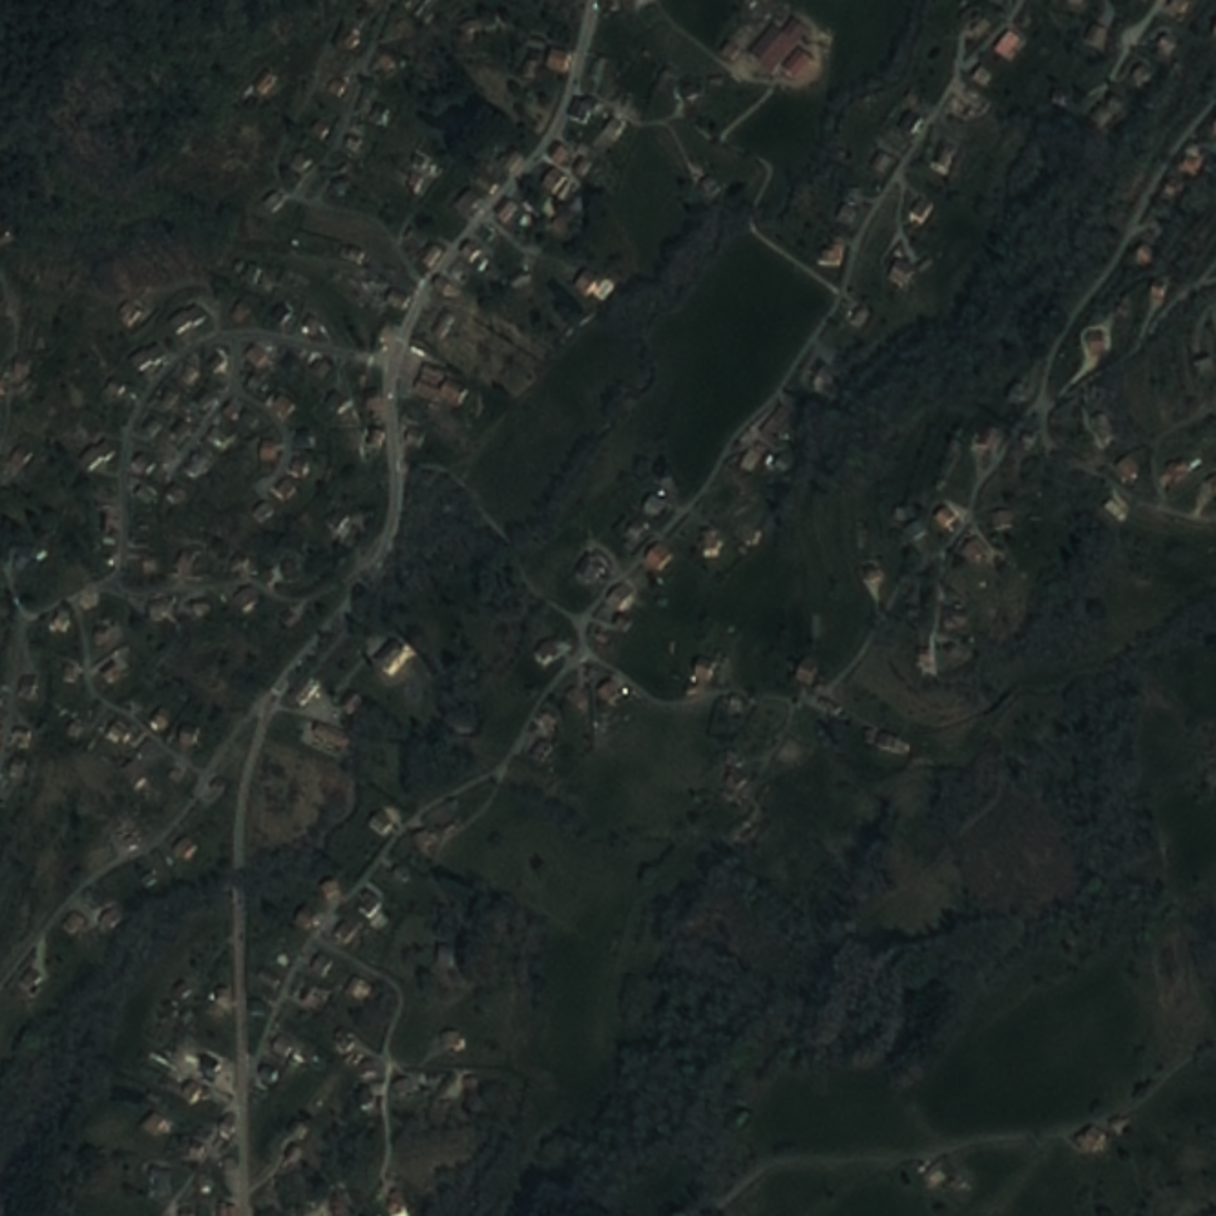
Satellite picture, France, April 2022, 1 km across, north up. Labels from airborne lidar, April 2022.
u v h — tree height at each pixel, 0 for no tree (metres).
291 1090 0
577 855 0
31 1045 17
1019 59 0
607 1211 20
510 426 0
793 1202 0
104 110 27
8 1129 13
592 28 0
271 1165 0
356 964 0
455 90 14
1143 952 16
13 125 23
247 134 0
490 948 17
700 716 0
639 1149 27
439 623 0
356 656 0
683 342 0
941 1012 20
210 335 0
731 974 23
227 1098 0
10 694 0
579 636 0
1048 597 7
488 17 20
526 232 7
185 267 29
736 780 0
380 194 0
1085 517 15
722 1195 7
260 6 27
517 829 0
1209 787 11
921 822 0
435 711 0
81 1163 7
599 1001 0
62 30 11
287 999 0
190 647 13
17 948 0
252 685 20
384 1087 0
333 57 0
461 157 28
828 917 6
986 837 0
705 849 0
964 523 0
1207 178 11
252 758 0
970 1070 0
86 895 8
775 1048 7
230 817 0
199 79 16
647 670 0
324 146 0
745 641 0
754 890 19
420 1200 6
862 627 0
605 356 0
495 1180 20
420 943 0
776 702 0
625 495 0
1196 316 8
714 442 0
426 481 13
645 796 0
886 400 25
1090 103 10
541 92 7
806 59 0
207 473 0
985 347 22
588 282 0
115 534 13
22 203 10
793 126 0
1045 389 0
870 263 0
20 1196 28
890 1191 0
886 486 6
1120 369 19
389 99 0
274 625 10
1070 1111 0
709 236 22
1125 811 23
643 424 0
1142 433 15
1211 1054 11
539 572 0
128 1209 0
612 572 0
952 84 0
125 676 0
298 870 19
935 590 7
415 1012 0
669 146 0
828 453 23
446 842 0
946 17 0
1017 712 0
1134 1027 0
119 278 35
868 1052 25
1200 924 0
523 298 0
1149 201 0
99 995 20
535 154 0
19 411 6
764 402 0
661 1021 9
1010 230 10
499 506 0
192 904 22
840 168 12
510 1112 0
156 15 18
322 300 0
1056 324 28
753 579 0
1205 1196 0
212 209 13
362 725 18
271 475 0
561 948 0
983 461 0
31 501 9
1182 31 0
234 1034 0
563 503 18
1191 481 0
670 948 22
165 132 22
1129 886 14
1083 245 22
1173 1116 0
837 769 0
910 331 7
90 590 0
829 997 18
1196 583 0
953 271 0
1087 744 6
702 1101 17
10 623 7
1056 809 6
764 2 0
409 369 0
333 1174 11
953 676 6
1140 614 0
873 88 18
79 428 0
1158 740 0
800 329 0
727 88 0
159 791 0
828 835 0
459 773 25
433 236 21
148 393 0
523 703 0
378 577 16
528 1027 0
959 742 0
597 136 0
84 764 0
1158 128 15
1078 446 12
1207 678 0
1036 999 0
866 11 0
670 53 0
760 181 0
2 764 0
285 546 7
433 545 21
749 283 0
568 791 0
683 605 0
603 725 0
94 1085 20
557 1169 0
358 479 16
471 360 0
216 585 0
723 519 0
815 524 0
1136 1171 0
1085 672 0
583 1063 0
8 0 21
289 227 0
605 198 16
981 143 0
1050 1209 0
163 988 0
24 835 9
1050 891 0
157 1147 0
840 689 0
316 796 0
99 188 29
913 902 0
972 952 15
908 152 0
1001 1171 0
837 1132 0
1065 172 21
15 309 0
